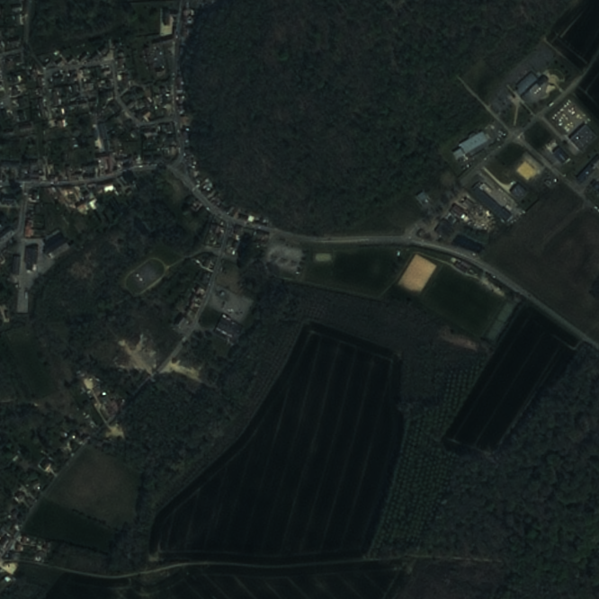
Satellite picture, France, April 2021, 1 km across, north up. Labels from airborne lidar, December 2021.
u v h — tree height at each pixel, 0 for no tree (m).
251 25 20
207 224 7
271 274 18
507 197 0
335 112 20
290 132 21
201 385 0
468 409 0
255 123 21
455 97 10
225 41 19
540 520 26
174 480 21
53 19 14
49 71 0
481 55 21
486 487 27
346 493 0
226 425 19
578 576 25
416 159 19
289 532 0
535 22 20
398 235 0
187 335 0
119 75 0
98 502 0
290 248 0
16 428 22
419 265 0
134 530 12
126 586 0
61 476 0
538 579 23
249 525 0
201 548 0
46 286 12
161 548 0
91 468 0
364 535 0
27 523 0
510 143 0
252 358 19
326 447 0
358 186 25
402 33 16
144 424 24
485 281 0
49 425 11
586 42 0
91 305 13
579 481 26
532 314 0
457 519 29
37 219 0
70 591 0
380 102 22
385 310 10
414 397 9
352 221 25
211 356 16
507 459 27
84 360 13
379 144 28
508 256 0
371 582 0
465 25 24
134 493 0
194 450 6
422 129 22
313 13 23
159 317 7
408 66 19
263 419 0
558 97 0
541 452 25
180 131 0
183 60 13
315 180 19
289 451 0
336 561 0
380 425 0
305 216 22
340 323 10
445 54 18
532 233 0
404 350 8
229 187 20
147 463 15
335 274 0
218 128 16
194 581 0
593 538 24
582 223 0
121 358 0
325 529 0
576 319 0
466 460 25
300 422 0
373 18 23
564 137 0
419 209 0
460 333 0
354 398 0
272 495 0
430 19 24
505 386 0
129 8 29
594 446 28
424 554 24
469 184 0
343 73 21
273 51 25
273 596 0
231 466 0
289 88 24
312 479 0
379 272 0
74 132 9
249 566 0
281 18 20
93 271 8
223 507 0
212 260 12
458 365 8
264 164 20
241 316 0
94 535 0
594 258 0
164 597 0
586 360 9
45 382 0
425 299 0
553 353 0
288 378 0
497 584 0
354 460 0
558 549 19
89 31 26
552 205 0
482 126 0
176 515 0
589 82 0
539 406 16
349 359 0
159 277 0
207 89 18
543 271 0
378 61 27
